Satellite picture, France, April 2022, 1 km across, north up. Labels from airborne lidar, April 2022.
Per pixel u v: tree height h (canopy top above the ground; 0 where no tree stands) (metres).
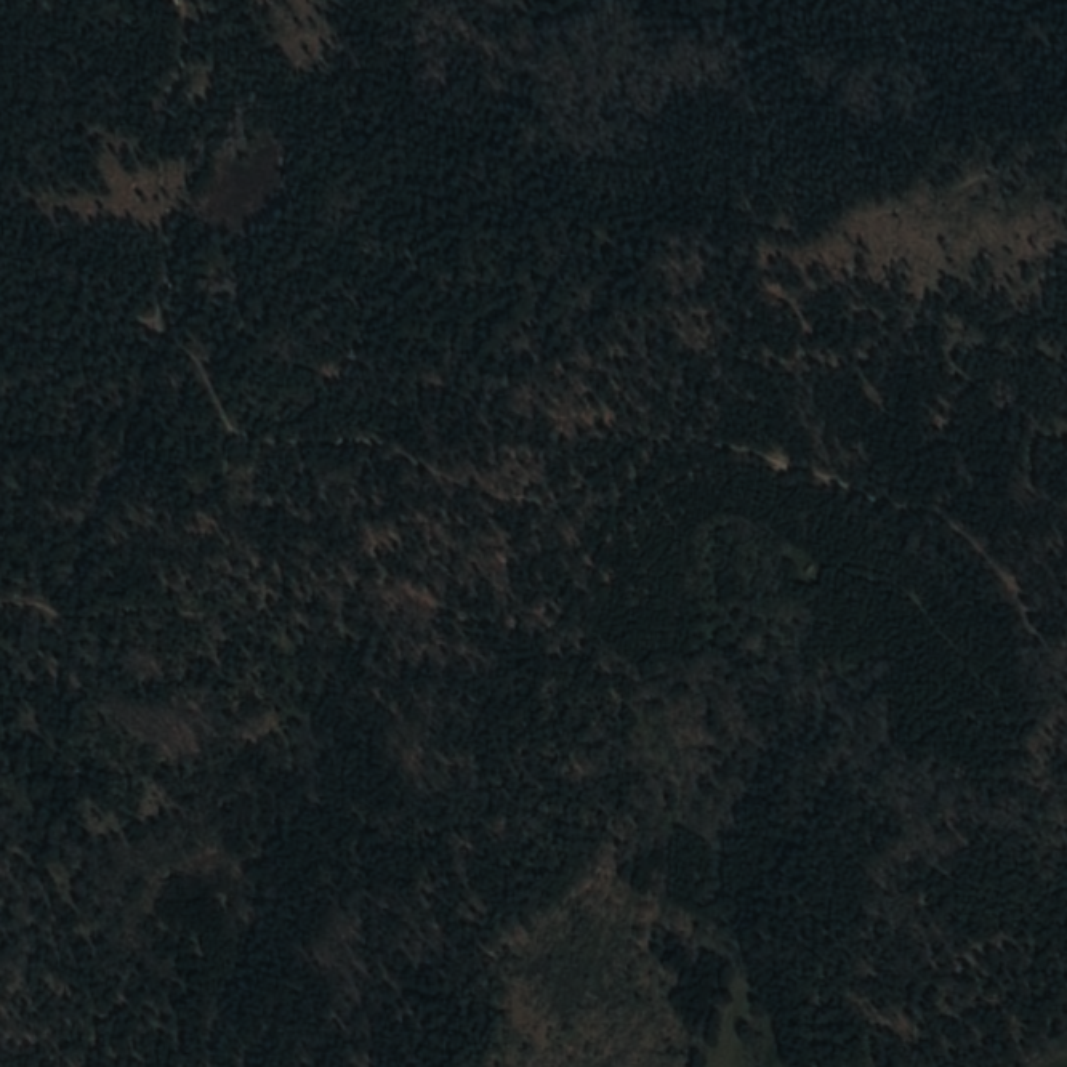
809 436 24
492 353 28
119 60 18
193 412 16
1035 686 19
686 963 22
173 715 28
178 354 24
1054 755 18
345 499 23
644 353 18
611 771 24
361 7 23
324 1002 24
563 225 14
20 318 14
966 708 18
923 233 0
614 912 20
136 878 26
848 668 9
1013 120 24
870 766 28
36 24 20
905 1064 33
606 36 6
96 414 30
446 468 20
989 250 0
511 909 22
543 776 23
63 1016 24
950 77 25
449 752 23
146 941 21
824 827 25
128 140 19
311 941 26
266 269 18
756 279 29
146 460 18
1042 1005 21
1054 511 20
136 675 26
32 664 26
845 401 18
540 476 22
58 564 34
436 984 25
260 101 19
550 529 22
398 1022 27
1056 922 29
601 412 23
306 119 25
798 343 24
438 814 24
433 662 18
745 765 9
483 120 26
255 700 7
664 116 20
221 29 23
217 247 23
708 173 18
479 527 18
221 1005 20
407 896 24
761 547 15
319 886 21
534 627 22
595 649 21
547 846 24
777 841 17
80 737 34
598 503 20
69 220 20
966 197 0
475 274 11
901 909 25
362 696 21
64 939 19
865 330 20
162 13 18
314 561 18
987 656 16
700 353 21
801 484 15
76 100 17
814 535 17
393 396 26
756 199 25
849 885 24
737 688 22
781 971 26
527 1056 18
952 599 12
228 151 13
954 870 28
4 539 21
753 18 30
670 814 15
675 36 22
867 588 14
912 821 28
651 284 31
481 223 21
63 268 22
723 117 19
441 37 22
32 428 19
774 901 26
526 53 22
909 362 17
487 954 23
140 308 28
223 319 23
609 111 14
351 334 22
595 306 15
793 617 7
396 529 16
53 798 24
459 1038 25
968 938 31
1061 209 16
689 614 15
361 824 24
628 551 13
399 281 18
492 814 18
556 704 19
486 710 19
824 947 22
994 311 18
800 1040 23
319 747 20
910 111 21
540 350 19
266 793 20
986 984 22
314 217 18
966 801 21
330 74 20
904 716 13
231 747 18
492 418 18
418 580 17
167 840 18
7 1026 22
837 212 19
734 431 26
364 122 20
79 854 31
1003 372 24
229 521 20
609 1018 11
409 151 20
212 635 13
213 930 13
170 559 23
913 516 15
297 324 9
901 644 15
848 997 28
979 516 23
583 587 21
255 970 25
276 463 19
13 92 17
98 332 12
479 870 24
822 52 22
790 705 29
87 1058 13
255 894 25
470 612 25
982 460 24
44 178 19
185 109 23
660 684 24
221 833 22
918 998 28
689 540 17
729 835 17
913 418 23
